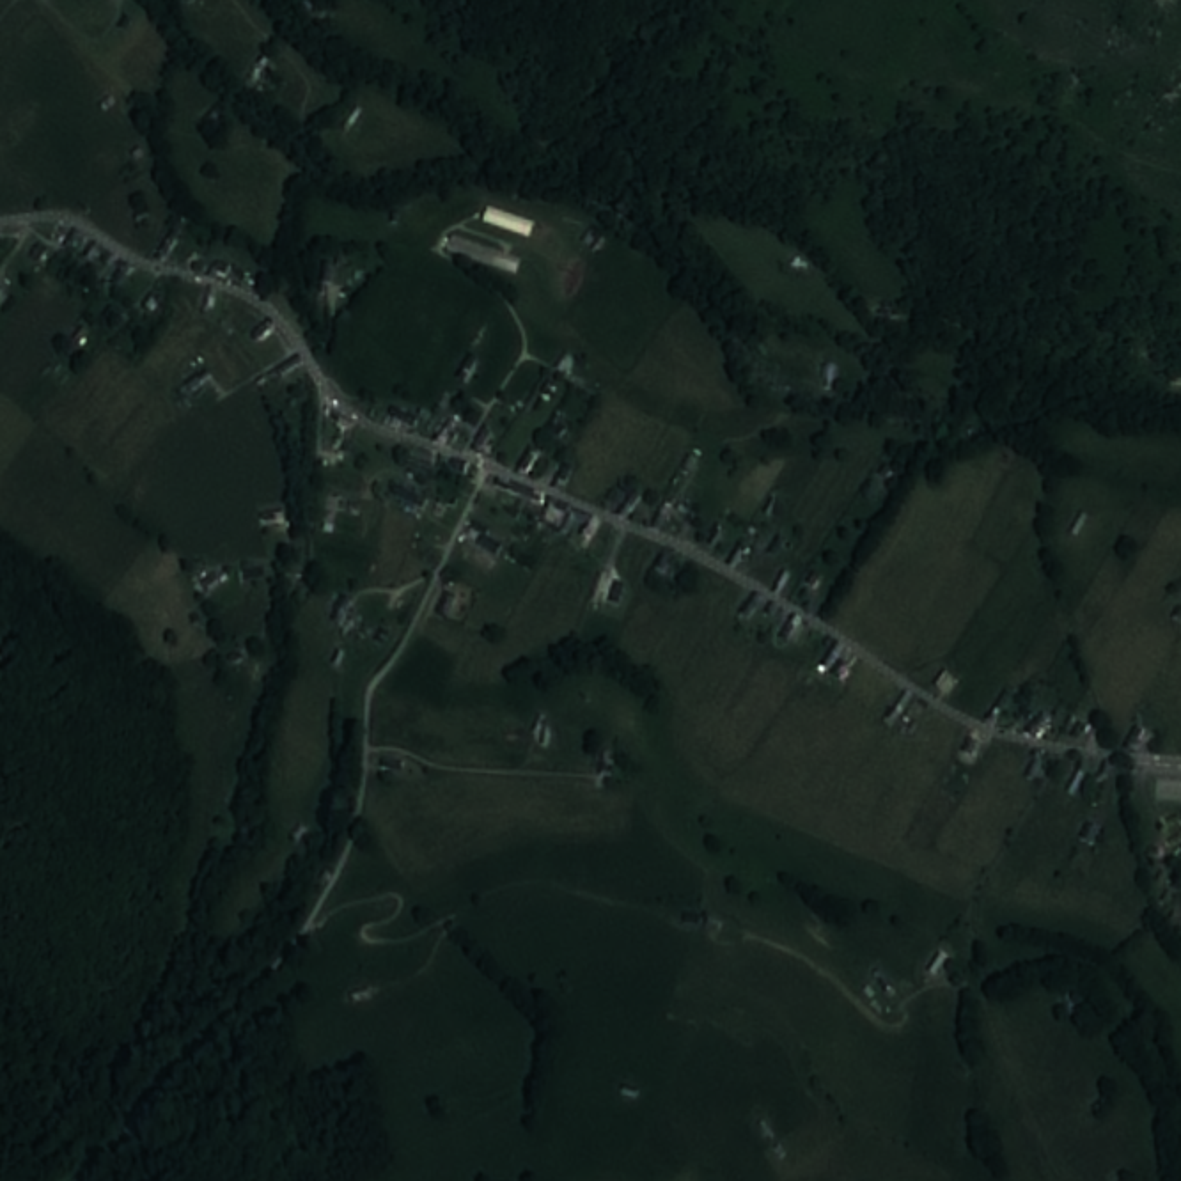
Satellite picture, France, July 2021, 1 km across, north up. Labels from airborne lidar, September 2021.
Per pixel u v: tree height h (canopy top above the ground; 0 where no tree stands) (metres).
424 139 0
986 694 0
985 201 21
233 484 0
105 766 25
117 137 0
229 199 0
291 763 0
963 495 0
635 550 0
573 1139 0
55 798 27
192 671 0
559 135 17
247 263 0
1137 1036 21
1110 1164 0
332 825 24
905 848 0
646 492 7
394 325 0
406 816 0
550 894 0
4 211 0
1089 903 0
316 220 0
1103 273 8
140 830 26
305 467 27
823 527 0
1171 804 0
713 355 0
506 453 7
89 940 19
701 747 0
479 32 20
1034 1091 0
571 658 16
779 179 12
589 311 0
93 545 0
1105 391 20
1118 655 0
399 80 12
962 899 0
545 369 10
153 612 0
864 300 13
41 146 0
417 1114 0
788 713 0
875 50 0
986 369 13
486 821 0
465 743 0
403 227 0
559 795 0
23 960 24
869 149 12
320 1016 0
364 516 0
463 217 0
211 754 0
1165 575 0
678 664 0
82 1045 38
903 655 0
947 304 18
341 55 23
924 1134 0
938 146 18
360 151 0
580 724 0
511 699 0
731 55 16
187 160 0
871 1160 0
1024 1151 0
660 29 15
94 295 6
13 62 0
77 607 23
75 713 26
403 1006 0
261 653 16
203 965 21
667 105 19
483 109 10
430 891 0
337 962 0
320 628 0
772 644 0
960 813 0
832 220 0
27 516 0
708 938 0
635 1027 0
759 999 0
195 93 0
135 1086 23
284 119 19
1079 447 0
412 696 0
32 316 0
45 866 26
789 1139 0
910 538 0
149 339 11
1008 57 0
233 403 0
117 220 0
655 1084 0
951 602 0
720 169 22
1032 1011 0
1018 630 0
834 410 19
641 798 0
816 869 0
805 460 0
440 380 0
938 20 0
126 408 0
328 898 0
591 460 0
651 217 21
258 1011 12
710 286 20
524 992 18
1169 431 13
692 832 0
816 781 0
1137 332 6
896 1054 0
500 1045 0
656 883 0
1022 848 0
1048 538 9
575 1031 0
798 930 0
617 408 0
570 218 0
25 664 29
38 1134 12
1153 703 0
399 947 0
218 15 0
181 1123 35
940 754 0
